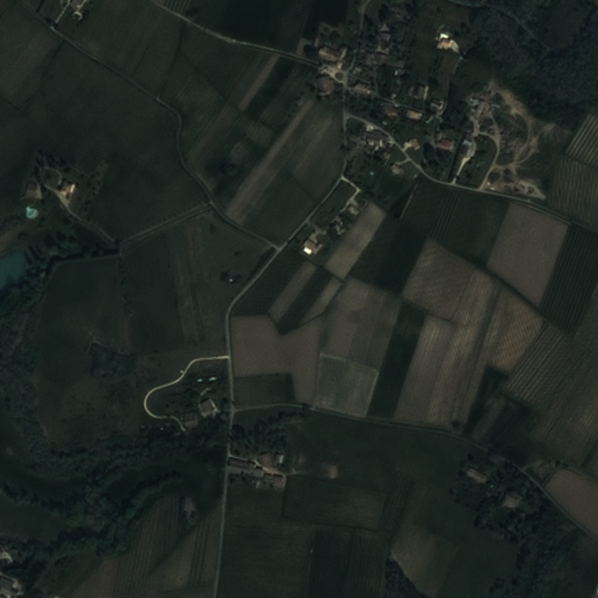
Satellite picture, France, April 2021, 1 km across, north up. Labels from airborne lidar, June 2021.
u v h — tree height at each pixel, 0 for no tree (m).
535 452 0
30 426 20
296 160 0
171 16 0
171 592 0
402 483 0
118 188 0
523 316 0
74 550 14
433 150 14
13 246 0
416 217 0
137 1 0
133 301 0
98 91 0
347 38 0
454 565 0
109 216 0
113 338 0
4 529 0
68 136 0
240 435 21
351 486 0
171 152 0
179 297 0
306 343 0
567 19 0
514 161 0
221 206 0
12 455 0
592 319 0
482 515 8
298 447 0
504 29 20
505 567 0
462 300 0
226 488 0
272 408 0
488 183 0
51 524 0
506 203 0
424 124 6
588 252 0
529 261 0
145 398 0
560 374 0
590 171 0
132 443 6
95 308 0
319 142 0
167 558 0
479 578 0
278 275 0
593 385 0
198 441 16
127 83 0
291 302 0
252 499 0
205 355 0
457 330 0
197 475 0
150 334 0
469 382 0
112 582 0
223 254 0
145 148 0
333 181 0
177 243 0
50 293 0
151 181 0
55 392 0
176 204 0
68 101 0
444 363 0
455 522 0
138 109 0
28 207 0
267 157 0
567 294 0
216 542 0
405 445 0
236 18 0
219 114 0
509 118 0
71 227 13
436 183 0
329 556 0
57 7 0
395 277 0
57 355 0
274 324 0
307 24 0
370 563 0
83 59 0
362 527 0
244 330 0
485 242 0
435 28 0
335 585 0
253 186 0
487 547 0
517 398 0
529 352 0
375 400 0
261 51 0
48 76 0
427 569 0
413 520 0
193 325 0
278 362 0
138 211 0
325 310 0
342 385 0
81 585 0
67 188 0
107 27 0
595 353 0
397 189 0
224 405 12
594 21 16
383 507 0
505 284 0
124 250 6
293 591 0
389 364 0
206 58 0
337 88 8
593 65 28
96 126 0
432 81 9
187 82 0
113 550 13
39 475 22
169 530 0
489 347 0
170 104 0
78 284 0
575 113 17
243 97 0
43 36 0
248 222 0
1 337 22
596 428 0
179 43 0
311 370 0
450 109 9
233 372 0
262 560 0
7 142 0
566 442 0
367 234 0
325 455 0
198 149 0
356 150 19
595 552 0
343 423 0
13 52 0
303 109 0
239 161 0
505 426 0
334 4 0
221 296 0
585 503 0
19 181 0
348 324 0
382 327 0
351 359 0
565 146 0
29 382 15
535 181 0
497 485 7
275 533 0
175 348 0
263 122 0
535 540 13
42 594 7
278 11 0
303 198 0
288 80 0
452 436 0
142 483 0
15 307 22
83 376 0
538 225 0
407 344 0
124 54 0
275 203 0
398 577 12
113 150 0
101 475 17
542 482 0
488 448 0
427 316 0
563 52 10
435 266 0
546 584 18
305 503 0
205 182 0
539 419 0
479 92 0
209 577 0
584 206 0
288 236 0
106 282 0
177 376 0
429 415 0
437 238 0
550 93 14
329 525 0
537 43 10
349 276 0
